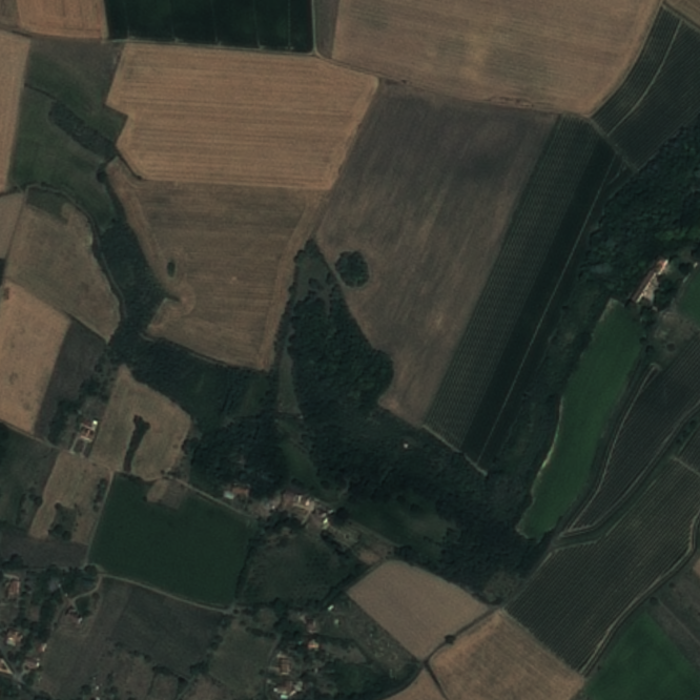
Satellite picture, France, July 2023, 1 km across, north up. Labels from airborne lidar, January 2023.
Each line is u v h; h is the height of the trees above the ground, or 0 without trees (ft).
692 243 60
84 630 0
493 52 0
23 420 0
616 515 0
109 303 0
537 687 0
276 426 30
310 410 33
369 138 0
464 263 0
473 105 0
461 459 51
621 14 0
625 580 0
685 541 0
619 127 0
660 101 0
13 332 0
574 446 0
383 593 0
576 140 0
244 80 0
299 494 0
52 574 40
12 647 0
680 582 0
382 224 0
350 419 20
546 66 0
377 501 42
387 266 0
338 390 31
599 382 0
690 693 0
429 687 0
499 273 0
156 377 33
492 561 52
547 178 0
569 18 0
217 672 0
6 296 0
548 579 0
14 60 0
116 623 0
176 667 0
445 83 0
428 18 0
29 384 0
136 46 0
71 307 0
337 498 0
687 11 0
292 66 0
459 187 0
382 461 40
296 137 0
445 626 0
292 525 56
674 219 55
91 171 0
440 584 0
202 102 0
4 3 0
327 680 22
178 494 0
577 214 0
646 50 0
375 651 0
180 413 0
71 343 0
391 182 0
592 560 0
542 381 22
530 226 0
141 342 18
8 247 0
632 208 49
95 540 0
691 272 44
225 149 0
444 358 0
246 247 0
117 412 0
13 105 0
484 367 0
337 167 0
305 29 0
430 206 0
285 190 0
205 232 0
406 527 0
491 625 0
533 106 0
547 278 0
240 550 0
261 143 0
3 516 0
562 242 0
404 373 0
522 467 26
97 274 0
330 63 0
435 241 0
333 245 0
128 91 0
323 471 48
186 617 0
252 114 0
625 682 0
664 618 0
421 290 0
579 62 0
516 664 0
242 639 0
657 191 23
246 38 0
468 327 0
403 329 0
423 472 24
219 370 20
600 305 27
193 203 0
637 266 34
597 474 0
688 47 0
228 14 0
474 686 0
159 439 0
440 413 0
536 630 0
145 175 0
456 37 0
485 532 57
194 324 0
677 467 0
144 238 0
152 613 0
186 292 0
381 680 17
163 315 0
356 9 0
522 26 0
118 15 0
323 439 34
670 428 0
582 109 0
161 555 0
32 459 0
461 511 49
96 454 0
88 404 0
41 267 0
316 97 0
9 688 24
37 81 0
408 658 0
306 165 0
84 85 0
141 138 0
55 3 0
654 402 0
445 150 0
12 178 0
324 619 0
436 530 0
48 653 0
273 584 0
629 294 21
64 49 0
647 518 0
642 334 0
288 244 0
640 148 0
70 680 0
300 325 42
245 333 0
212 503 0
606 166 0
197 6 0
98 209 0
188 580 0
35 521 0
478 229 0
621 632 0
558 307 0
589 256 28
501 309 0
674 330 0
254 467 51
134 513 0
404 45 0
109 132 0
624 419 0
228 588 0
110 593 0
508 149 0
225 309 0
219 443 25
